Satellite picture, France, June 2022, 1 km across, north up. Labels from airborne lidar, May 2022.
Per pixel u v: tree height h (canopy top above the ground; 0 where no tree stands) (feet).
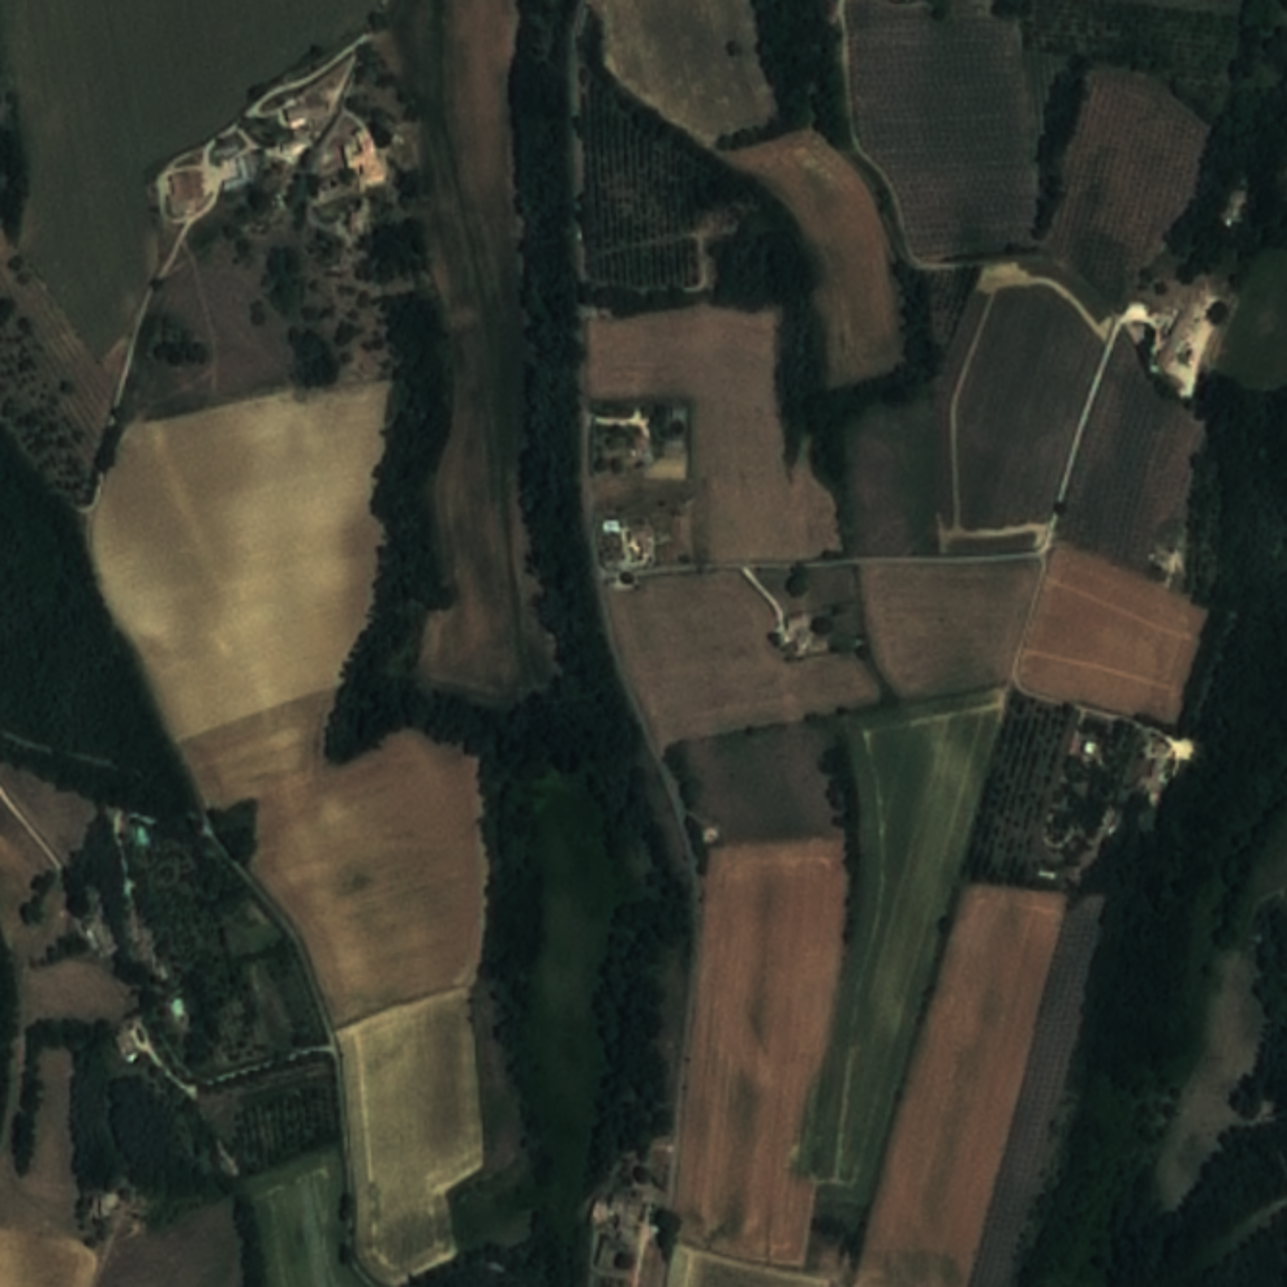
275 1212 0
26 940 0
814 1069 0
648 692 0
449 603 37
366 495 0
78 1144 35
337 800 0
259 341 0
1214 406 90
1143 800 45
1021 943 0
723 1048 0
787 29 43
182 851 17
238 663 0
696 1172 0
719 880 0
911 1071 0
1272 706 74
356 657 41
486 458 0
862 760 0
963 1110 0
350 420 0
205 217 0
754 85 0
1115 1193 25
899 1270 0
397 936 0
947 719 0
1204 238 46
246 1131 20
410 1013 0
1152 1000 68
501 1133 0
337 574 0
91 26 0
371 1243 0
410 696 72
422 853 0
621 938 29
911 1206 0
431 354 57
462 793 0
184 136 0
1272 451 71
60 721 29
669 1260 25
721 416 0
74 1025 43
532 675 0
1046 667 0
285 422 0
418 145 0
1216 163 55
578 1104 0
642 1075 51
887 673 0
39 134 0
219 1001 26
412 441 57
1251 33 54
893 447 0
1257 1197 40
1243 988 0
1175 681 0
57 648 38
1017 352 0
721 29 0
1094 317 0
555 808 0
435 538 29
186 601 0
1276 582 30
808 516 0
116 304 0
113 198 0
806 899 0
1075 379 0
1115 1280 46
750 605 0
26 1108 25
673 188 23
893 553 0
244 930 0
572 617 71
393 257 54
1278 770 44
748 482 0
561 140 43
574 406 45
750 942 0
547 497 27
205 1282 0
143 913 45
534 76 45
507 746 83
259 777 0
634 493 0
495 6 0
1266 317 0
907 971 0
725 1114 0
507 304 0
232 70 0
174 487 0
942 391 0
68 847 0
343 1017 0
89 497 20
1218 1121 0
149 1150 51
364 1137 0
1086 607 0
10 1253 0
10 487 31
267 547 0
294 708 0
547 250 34
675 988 0
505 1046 27
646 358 0
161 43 0
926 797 0
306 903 0
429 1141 0
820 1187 0
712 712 0
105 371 0
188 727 0
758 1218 0
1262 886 0
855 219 0
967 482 0
